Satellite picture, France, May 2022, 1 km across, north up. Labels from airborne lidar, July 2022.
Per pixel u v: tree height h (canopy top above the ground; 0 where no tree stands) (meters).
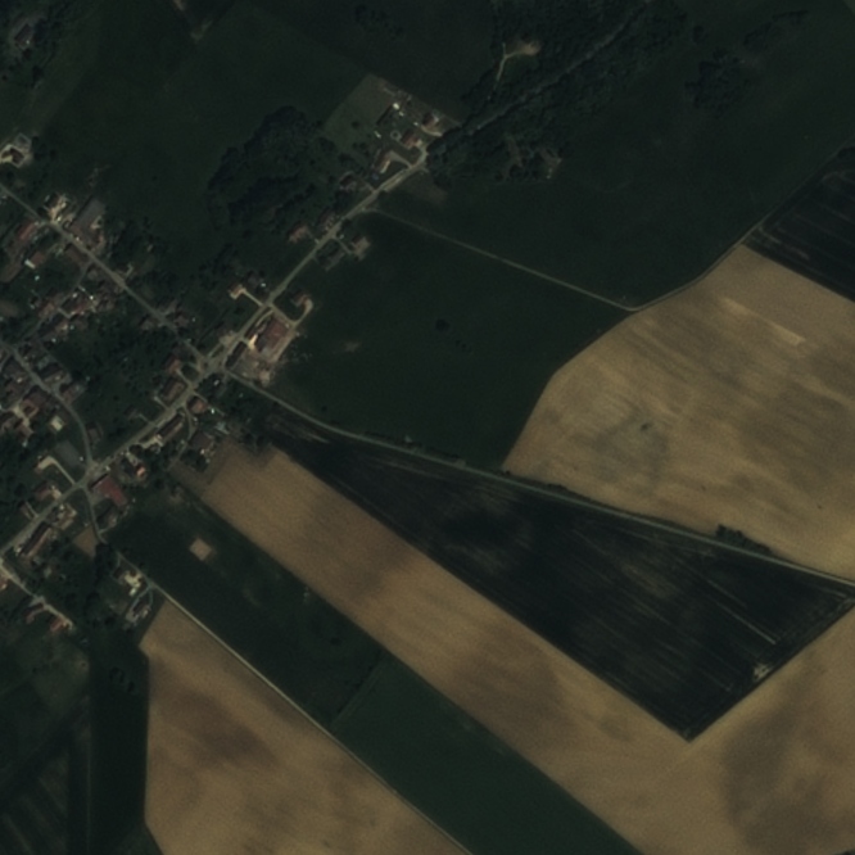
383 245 0
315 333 0
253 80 0
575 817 0
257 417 0
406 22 0
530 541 0
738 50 0
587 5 17
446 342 0
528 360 0
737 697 0
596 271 0
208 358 0
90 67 0
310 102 0
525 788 0
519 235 0
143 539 0
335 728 0
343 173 0
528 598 0
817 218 0
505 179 15
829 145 0
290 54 0
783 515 0
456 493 0
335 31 0
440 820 0
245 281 7
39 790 0
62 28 18
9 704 0
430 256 0
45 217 9
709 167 0
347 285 0
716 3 0
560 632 0
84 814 0
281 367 0
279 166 18
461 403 0
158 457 7
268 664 0
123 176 0
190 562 0
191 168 0
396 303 0
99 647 0
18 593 0
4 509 10
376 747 0
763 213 0
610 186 0
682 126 0
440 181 12
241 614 0
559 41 12
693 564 0
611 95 18
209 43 0
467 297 0
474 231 0
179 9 0
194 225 0
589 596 0
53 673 0
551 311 0
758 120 0
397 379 0
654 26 7
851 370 0
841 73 0
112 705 0
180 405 0
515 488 0
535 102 17
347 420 0
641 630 0
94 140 0
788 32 0
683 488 0
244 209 18
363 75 0
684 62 0
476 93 9
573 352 0
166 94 0
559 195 0
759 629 0
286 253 0
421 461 0
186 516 0
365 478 0
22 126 0
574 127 14
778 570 0
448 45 0
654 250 0
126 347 15
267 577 0
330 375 0
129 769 0
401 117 0
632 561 0
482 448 0
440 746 0
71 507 0
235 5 0
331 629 0
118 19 0
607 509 0
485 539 0
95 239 0
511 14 13
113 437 7
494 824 0
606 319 0
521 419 0
